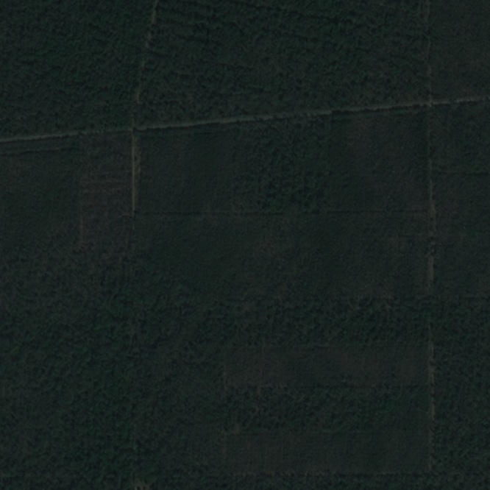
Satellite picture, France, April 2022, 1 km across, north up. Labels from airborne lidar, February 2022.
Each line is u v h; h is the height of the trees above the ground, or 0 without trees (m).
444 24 10
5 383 22
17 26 17
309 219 11
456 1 9
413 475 7
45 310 18
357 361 8
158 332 23
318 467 9
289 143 18
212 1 18
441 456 16
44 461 15
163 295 22
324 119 17
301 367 6
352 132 7
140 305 21
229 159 6
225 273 14
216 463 19
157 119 17
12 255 18
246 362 9
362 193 6
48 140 9
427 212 7
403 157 9
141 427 21
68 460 15
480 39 10
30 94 12
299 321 17
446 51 10
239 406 16
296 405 9
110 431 19
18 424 19
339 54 21
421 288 12
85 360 21
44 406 20
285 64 19
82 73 16
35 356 13
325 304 18
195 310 25
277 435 7
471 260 12
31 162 8
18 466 16
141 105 18
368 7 17
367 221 10
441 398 8
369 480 21
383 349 8
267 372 9
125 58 14
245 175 6
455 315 12
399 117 8
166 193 7
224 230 12
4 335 11
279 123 17
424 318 20
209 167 7
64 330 21
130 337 21
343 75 18
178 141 7
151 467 23
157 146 9
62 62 19
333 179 11
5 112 17
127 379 18
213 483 8
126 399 23
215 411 18
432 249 13
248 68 17
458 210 11
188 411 15
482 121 14
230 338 20
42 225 10
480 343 12
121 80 21
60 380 16
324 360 10
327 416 7
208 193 9
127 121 16
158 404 10
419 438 9
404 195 7
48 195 12
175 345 23
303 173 10
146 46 13
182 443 16
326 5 20
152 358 25
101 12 18
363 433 9
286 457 6
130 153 13
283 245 12
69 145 8
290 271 12
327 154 8
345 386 16
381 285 11
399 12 18
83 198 12
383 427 7
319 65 18
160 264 18
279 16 15
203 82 17
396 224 9
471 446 15
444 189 8
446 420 20
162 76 20
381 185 7
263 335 14
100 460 22
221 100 20
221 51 21
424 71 18
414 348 7
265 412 15
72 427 20
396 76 15
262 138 15
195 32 19
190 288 22
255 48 16
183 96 6
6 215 10
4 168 10
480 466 16
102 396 23
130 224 7
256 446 8
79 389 22
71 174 10
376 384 9
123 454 24
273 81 21
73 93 10
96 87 14
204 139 8
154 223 11
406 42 18
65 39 20
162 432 18
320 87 17
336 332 17
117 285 20
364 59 18
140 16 16
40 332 19
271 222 11
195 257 13
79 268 11
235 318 18
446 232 9
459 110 13
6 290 17
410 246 8
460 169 8
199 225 10
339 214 10
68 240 11
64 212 9
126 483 22
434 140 12
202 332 11
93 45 18
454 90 11
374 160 9
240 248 12
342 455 8
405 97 14
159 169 7
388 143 7
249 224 13
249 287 12
